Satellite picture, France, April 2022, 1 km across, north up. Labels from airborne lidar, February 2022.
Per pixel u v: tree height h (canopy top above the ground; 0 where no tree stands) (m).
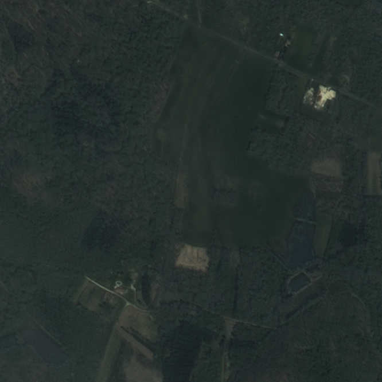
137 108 26
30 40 21
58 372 17
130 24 24
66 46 29
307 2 14
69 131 24
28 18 26
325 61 9
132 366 0
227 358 0
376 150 0
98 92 30
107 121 30
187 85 0
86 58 27
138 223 27
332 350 22
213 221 0
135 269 0
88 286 0
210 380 6
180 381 17
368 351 18
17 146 27
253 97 0
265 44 7
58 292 22
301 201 0
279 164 24
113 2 22
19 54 18
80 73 24
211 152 0
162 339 11
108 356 0
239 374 18
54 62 27
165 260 6
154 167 26
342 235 10
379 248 24
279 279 13
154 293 0
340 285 0
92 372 15
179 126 0
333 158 0
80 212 17
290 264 0
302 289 0
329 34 0
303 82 0
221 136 0
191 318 19
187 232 0
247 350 16
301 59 0
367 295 24
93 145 27
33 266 15
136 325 0
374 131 0
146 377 0
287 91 16
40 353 0
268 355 16
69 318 10
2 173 15
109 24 26
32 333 0
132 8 28
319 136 0
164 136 0
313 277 0
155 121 23
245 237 0
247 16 14
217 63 0
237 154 0
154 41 18
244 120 0
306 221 0
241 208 0
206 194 0
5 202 22
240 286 18
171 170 20
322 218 0
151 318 0
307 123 22
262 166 0
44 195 0
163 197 27
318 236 0
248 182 0
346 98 18
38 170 21
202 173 0
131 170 27
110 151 24
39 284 25
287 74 10
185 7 21
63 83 25
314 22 9
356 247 20
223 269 25
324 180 0
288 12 18
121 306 0
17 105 27
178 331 16
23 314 19
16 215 20
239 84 0
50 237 19
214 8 11
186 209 0
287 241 0
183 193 0
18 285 24
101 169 16
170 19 24
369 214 25
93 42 29
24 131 26
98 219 17
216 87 0
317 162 0
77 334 12
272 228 0
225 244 0
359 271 23
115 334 0
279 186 0
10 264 8
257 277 6
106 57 25
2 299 26
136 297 0
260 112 0
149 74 24
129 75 28
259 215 0
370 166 0
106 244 19
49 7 28
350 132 23
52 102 22
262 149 25
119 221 22
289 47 12
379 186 0
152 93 27
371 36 19
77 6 27
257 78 0
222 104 0
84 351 8
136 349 0
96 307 0
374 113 0
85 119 30
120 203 18
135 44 30
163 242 8
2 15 27
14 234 0
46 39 28
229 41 0
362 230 10
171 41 22
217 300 16
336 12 17
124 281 0
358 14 21
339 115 0
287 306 19
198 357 17
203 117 0
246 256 23
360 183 23
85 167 13
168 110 0
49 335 0
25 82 21
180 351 21
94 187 22
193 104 0
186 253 0
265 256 20
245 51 0
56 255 19
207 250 0
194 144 0
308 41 0
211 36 0
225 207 0
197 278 24
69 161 25
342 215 0
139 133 27
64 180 15
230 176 0
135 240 21
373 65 12
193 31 0
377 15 6
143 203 29
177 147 0
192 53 0
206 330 17
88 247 20
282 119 0
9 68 18
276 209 0
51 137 27
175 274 18
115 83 26
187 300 0
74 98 25
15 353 20
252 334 16
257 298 19
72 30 28
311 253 0
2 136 24
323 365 16
